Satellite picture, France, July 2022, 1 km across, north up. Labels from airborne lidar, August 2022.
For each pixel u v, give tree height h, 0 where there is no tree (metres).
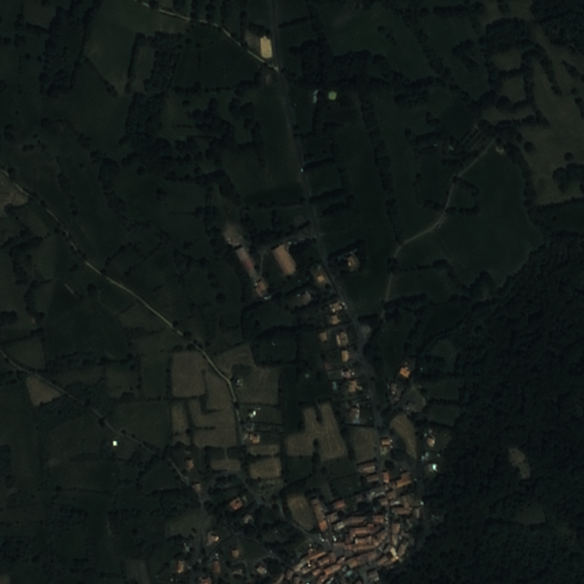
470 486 21
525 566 9
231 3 14
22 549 10
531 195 13
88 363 13
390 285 0
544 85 0
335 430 0
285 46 0
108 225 0
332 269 7
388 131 0
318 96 13
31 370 9
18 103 0
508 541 9
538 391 25
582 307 21
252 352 12
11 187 0
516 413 23
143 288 0
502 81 16
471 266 0
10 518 0
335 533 9
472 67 18
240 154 10
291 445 0
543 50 16
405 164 0
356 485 0
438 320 0
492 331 16
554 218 8
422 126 0
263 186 0
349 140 0
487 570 17
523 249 0
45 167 0
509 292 8
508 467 20
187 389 0
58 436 0
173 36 11
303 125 0
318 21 17
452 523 17
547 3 14
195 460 0
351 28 0
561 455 19
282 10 0
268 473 0
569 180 17
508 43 10
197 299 0
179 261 10
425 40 15
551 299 21
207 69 0
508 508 19
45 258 0
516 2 0
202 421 0
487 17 0
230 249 16
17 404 0
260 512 16
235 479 11
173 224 0
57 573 11
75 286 0
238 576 12
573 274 17
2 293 0
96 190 0
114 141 0
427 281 0
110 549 0
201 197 0
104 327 0
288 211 0
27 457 0
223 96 0
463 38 0
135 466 6
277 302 10
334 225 0
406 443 0
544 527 10
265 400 0
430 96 15
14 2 0
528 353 22
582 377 23
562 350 20
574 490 23
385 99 0
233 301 0
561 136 0
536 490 19
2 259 0
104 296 0
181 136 0
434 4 0
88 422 0
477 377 18
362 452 0
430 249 0
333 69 25
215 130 17
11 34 0
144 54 0
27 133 0
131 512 6
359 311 0
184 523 0
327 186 0
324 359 14
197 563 7
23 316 0
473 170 0
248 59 0
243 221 12
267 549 15
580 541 15
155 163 25
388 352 0
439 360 15
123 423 0
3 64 0
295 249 18
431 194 0
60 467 0
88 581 7
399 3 7
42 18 0
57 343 0
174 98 0
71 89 10
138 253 7
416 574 15
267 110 0
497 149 0
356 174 0
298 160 0
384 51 0
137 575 0
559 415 18
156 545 10
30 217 0
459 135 0
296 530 7
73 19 12
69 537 0
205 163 0
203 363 0
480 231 0
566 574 8
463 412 11
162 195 14
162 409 0
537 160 0
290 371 0
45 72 9
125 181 0
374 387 0
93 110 0
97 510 0
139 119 15
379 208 0
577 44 17
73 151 0
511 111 10
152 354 0
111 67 0
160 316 0
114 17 0
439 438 0
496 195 0
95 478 0
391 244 0
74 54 0
